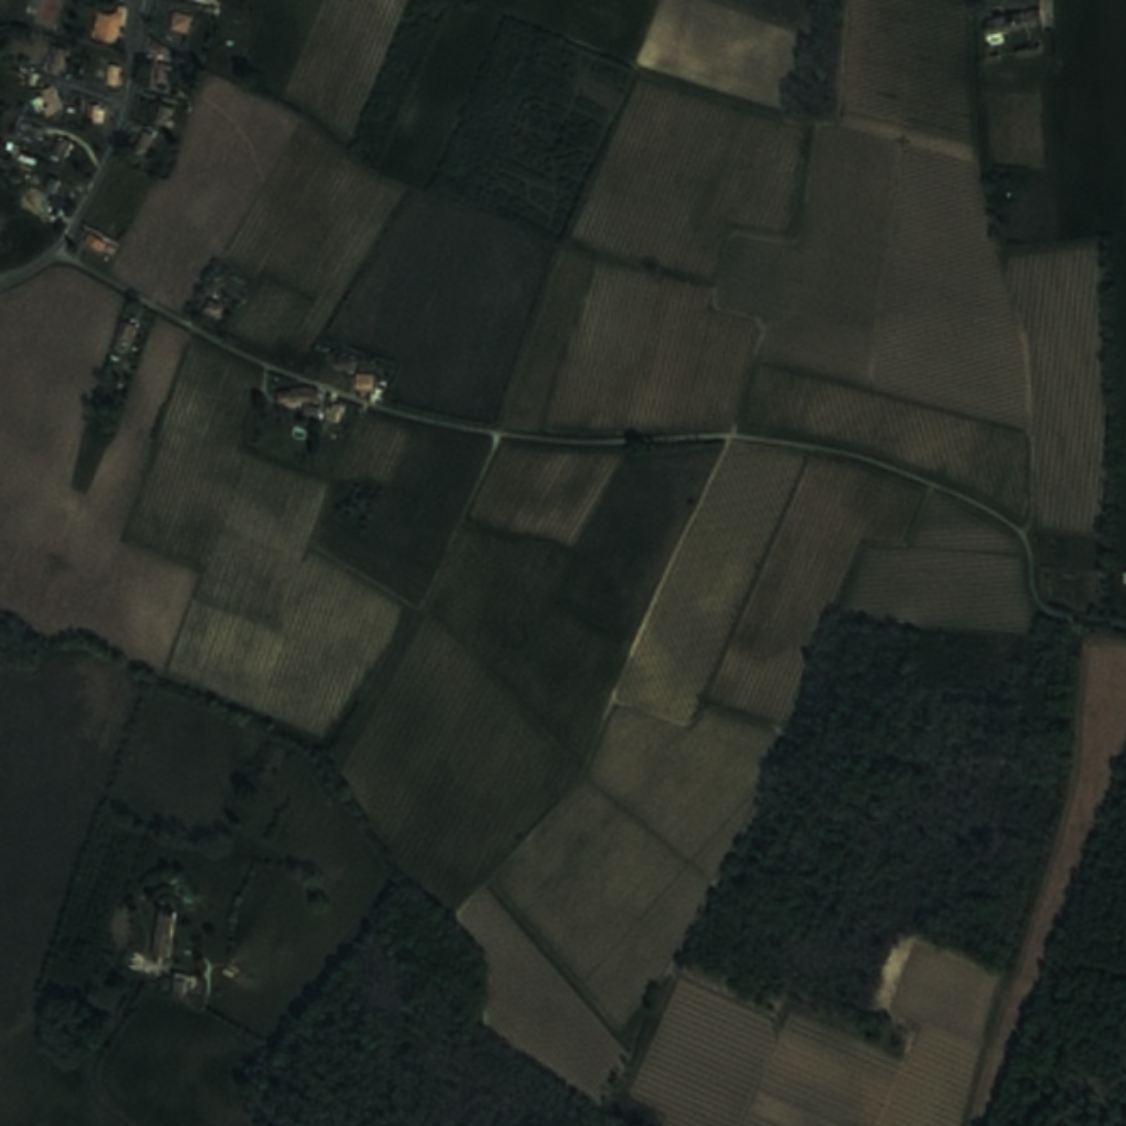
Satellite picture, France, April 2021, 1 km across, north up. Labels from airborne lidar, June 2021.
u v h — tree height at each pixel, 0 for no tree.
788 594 0
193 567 0
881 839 18
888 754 14
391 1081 15
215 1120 0
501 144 5
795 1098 0
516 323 0
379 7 0
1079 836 0
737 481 0
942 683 10
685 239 0
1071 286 0
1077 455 0
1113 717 0
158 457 0
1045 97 0
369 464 0
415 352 0
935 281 0
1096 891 17
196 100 13
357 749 0
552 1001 0
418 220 0
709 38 0
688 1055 0
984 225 0
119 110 0
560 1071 0
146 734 0
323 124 0
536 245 0
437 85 0
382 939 15
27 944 0
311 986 0
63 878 0
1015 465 0
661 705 0
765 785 11
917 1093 0
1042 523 0
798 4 0
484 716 0
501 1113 7
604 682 0
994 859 6
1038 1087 19
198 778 0
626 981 0
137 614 0
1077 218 0
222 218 0
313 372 0
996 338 0
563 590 0
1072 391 0
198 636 0
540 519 0
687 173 0
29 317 0
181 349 0
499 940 0
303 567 0
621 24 0
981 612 0
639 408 0
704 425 0
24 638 19
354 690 0
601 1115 14
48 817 0
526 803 0
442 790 0
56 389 0
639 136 0
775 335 0
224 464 0
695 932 10
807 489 0
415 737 0
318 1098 16
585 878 0
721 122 0
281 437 0
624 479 0
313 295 0
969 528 0
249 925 0
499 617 0
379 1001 19
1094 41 0
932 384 0
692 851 0
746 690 0
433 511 0
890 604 0
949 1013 0
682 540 0
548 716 0
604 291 0
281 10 0
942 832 10
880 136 0
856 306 0
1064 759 15
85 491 0
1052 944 11
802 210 0
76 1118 0
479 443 0
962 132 0
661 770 0
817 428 0
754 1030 0
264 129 0
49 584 0
